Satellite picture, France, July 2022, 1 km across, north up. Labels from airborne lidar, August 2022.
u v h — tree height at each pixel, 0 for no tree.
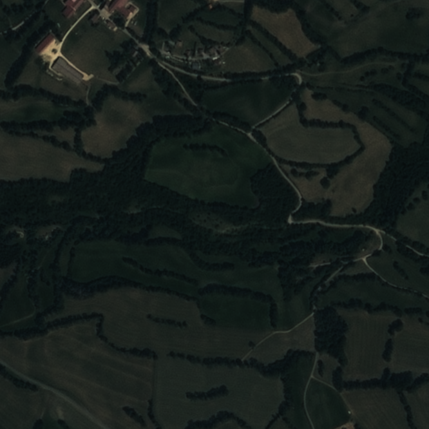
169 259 0
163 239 17
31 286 9
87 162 0
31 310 0
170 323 18
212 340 0
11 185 18
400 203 8
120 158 21
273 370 23
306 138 0
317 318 15
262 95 0
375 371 0
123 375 0
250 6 21
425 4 0
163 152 0
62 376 0
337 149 0
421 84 0
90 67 0
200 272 0
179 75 7
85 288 17
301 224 7
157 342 0
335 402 0
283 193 9
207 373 0
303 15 18
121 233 10
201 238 14
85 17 0
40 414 0
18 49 0
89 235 14
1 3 20
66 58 0
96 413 0
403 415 0
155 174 0
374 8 0
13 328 0
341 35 0
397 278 0
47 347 0
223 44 7
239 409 0
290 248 18
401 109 0
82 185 8
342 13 0
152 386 0
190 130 20
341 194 0
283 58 0
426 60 19
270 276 0
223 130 0
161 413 0
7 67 0
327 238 22
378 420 0
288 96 0
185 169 0
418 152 11
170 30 0
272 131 0
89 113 24
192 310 0
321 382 0
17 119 0
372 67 0
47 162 0
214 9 12
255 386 0
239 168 0
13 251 8
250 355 0
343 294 0
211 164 0
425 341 0
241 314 0
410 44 0
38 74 0
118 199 6
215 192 0
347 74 0
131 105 0
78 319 19
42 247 11
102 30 0
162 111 0
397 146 7
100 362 0
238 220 6
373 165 0
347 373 0
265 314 0
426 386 0
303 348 0
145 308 0
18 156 0
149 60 0
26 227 8
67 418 0
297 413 0
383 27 0
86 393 0
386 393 0
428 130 6
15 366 0
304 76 0
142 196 6
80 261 0
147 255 0
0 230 18
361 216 7
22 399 0
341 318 15
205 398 17
